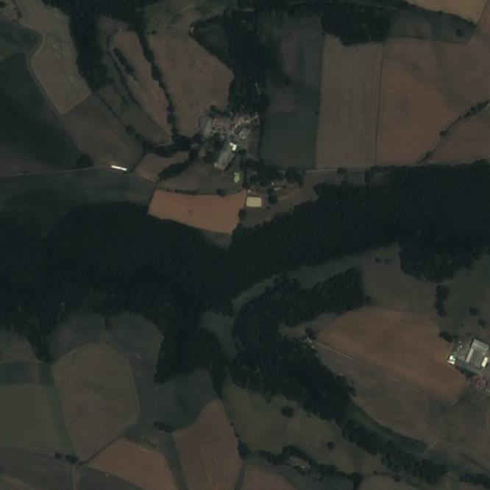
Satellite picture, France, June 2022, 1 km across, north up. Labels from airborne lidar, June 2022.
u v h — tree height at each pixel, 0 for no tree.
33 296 22
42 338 19
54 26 0
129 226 15
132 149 0
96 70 19
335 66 0
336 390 11
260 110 15
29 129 0
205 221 0
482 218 18
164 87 11
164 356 12
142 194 0
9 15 0
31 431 0
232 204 0
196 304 20
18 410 0
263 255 22
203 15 0
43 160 0
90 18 19
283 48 0
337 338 0
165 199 0
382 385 0
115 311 20
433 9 0
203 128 0
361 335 0
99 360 0
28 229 12
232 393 0
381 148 0
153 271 22
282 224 14
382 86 0
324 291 13
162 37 0
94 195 0
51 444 0
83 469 0
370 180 14
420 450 0
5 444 0
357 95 0
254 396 0
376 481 0
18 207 0
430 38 0
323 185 11
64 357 0
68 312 17
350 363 0
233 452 0
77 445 0
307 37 0
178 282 25
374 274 0
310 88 0
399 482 12
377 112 0
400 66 0
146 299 22
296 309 17
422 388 0
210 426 0
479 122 0
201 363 9
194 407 0
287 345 8
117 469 0
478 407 0
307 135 0
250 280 30
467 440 0
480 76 0
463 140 0
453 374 0
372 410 0
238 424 0
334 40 0
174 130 12
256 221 0
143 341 0
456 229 20
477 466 0
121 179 0
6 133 0
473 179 17
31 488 0
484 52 0
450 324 0
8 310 27
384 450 16
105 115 0
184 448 0
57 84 0
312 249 23
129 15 17
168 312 26
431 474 19
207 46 11
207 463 0
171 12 0
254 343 18
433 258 27
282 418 0
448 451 0
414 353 0
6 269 21
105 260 20
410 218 23
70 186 0
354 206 23
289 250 19
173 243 20
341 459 0
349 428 25
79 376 0
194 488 0
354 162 0
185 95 0
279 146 0
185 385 0
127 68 10
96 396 0
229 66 11
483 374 0
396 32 0
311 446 0
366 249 25
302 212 17
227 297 8
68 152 0
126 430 0
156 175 0
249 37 24
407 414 0
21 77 0
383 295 0
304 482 0
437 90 0
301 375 15
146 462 0
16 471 0
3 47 0
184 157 0
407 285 0
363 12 20
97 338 0
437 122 0
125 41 0
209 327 0
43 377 0
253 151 0
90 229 16
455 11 0
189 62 0
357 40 16
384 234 23
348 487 0
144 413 0
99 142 0
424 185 21
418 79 0
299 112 0
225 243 0
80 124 0
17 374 0
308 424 0
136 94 0
